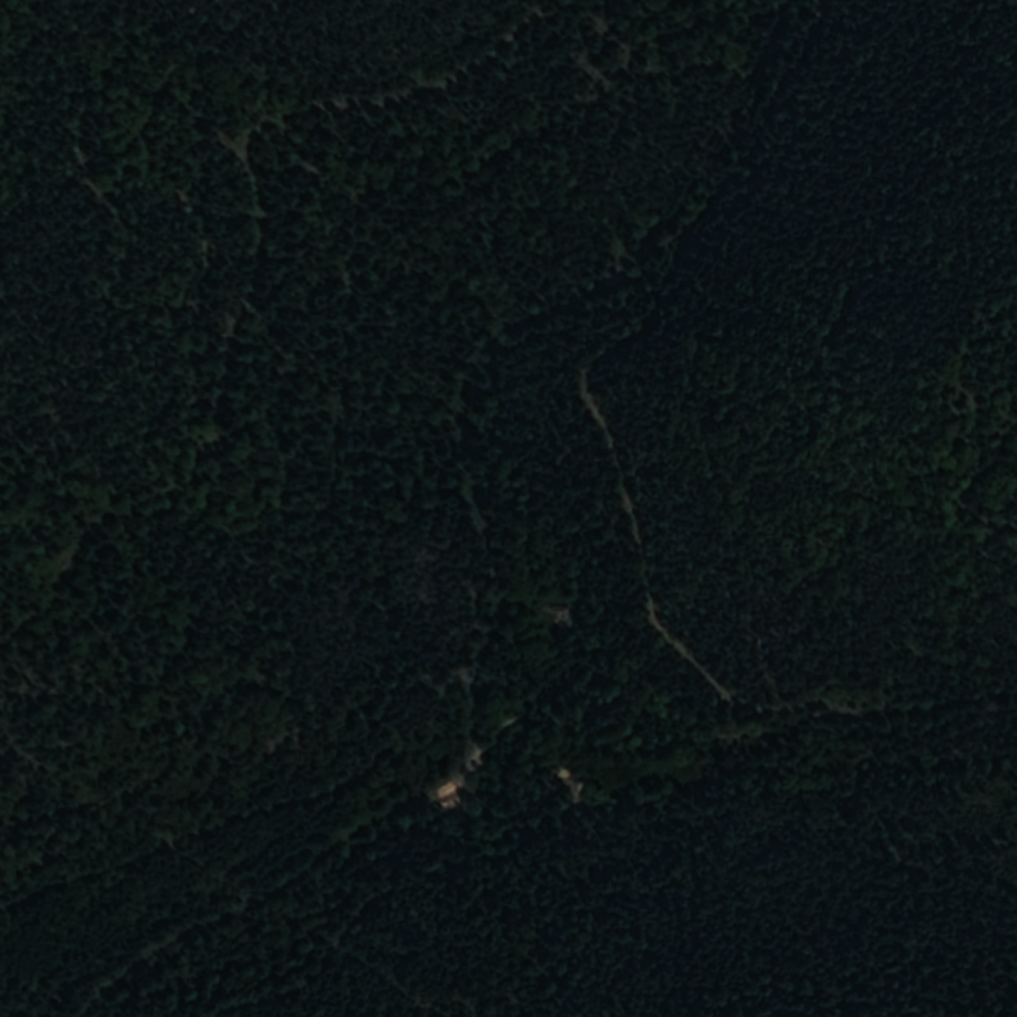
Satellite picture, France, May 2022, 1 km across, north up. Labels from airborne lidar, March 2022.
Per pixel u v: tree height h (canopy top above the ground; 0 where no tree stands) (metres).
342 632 36
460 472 30
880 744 32
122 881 23
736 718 31
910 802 35
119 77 21
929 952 25
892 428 19
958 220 28
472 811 29
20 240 28
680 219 22
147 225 9
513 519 41
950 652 27
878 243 31
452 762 11
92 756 10
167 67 18
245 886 28
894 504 24
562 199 26
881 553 29
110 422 31
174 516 31
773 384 29
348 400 40
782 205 32
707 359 32
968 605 25
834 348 29
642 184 20
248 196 20
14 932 23
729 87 34
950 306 25
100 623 37
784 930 35
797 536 28
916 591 27
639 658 28
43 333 32
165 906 16
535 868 32
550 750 29
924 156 32
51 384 32
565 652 15
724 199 19
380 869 42
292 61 18
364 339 6
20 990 34
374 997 11
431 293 33
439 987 24
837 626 30
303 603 35
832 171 28
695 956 28
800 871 33
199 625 42
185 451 25
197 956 41
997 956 30
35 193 31
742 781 27
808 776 26
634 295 30
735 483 25
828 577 32
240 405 14
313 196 22
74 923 14
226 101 14
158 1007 37
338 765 20
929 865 28
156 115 23
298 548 28
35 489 33
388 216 33
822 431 27
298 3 30
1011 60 27
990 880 31
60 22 34
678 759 35
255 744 26
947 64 27
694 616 20
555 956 21
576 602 11
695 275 25
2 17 22
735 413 26
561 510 15
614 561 35
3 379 25
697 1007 31
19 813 19
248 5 28
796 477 27
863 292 27
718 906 16
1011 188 23
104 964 17
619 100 9
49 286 31
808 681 32
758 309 24
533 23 9
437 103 37
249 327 26
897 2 32
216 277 16
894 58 38
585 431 27
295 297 27
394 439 28
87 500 12
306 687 33
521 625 23
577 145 33
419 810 38
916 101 25
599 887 28
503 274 36
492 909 21
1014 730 39
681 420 27
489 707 30
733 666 25
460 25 7
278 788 25
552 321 27
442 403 30
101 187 20
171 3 37
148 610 28
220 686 21
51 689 8
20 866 11
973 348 16
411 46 29
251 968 21
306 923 25
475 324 28
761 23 31
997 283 25
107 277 37
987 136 30
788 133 19
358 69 10
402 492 24
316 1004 10
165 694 31
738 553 25
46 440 31
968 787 29
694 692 31
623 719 23
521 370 25
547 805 41
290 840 26
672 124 30
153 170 24
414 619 31
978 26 26
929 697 30
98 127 37
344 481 30
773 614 30
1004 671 38
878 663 29
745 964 30
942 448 21
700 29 34
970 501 20
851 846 28
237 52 38
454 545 29
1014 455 23
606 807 24
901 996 33
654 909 30
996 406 15
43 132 30
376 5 32
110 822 21
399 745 14
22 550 34
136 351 31
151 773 10
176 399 24
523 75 20
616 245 16
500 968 16
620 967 19
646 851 8
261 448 43
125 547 16
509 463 32
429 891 15
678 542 28
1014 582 23
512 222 28
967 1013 30
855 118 25
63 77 27
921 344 25
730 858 33
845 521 29
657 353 36
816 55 26
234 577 23
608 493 30
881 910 31
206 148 28
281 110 19
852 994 32
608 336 28
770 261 32
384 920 16
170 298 25
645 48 24
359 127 26
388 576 34
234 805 22
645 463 28
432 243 23
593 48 30
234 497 25
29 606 21
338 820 27
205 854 26
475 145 25
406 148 30
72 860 7
